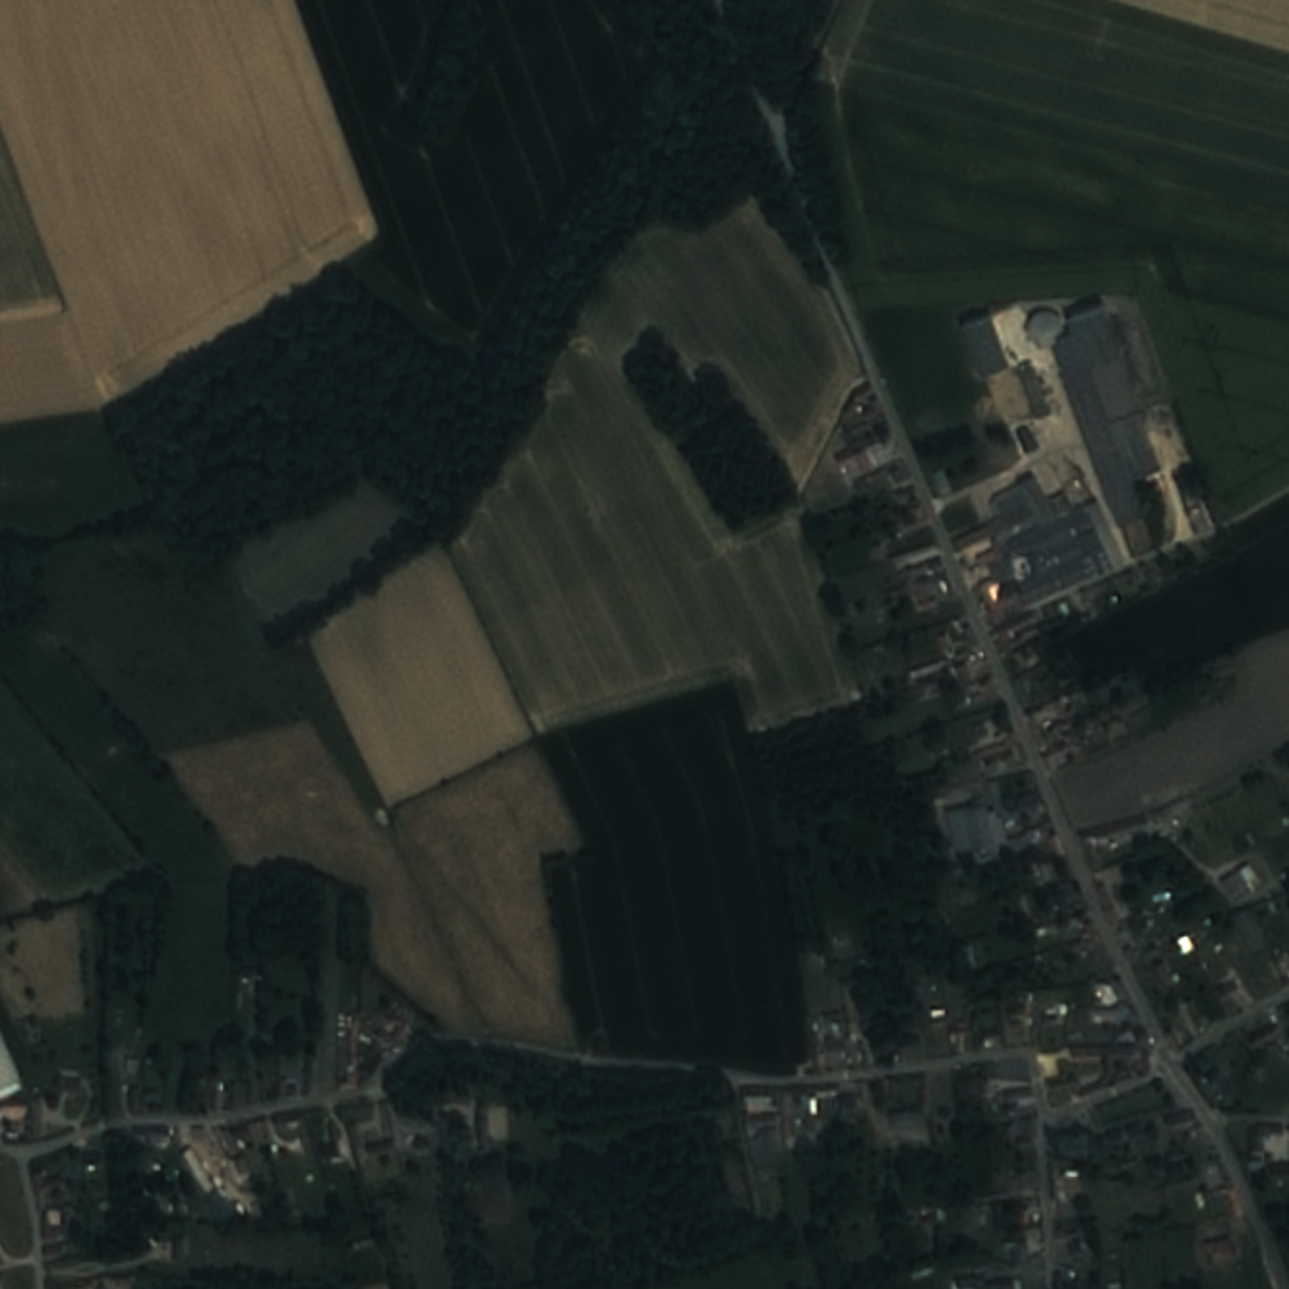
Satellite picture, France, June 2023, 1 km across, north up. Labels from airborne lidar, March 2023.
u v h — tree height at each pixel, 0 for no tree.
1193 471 15
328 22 0
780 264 0
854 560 0
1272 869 0
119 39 0
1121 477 0
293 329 26
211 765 0
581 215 12
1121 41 0
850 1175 20
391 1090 11
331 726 0
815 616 0
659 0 23
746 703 0
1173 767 0
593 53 0
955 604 0
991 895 9
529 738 0
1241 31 0
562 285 17
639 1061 0
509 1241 0
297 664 0
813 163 23
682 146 26
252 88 0
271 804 0
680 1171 22
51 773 0
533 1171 8
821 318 0
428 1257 0
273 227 0
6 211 0
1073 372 0
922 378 0
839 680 0
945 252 0
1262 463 0
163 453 27
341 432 32
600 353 0
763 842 0
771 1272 0
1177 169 0
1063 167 0
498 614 0
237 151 0
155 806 0
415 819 0
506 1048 0
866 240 0
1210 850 0
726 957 0
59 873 0
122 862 0
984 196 0
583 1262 17
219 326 0
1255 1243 0
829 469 0
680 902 0
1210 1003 0
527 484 0
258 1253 0
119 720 12
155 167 0
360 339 29
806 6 23
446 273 0
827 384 0
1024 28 0
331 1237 13
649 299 0
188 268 0
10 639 0
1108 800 0
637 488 0
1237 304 0
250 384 33
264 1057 16
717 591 0
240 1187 0
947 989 0
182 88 0
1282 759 9
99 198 0
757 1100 0
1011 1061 0
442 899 0
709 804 0
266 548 0
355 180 0
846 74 0
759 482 22
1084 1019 0
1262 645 0
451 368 31
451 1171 17
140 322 0
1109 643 0
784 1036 0
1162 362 0
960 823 0
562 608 0
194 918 0
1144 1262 0
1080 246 0
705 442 21
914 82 0
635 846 0
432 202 0
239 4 0
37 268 0
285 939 17
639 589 0
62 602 0
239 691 0
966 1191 14
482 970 0
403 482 32
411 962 0
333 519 0
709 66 28
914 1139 0
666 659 0
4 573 23
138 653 0
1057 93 0
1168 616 0
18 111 0
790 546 0
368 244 0
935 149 0
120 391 0
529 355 25
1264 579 0
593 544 0
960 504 0
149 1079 0
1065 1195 0
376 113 0
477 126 0
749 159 24
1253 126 0
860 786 11
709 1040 0
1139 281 0
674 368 23
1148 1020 0
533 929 0
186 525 29
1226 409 0
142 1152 15
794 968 0
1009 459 0
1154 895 0
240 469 35
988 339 0
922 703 0
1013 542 0
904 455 0
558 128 0
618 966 0
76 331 0
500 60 0
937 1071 0
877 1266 17
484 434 32
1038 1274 0
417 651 0
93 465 0
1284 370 0
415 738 0
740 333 0
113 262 0
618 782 0
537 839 0
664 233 0
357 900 15
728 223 0
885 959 13
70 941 0
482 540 0
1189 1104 0
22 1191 0
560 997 0
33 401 0
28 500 0
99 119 0
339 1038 0
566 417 0
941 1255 8
